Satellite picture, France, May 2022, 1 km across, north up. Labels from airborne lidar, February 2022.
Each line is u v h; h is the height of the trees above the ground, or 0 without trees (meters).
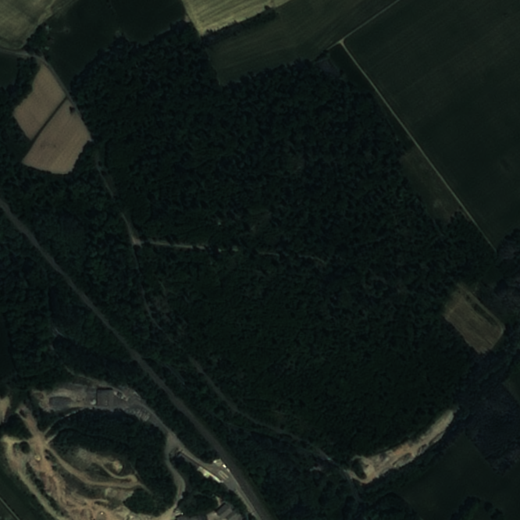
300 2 0
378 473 0
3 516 0
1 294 27
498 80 0
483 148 0
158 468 19
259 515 0
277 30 0
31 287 30
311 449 17
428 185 0
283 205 26
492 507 15
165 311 0
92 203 31
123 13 0
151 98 32
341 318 27
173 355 14
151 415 0
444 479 0
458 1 0
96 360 35
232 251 32
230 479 0
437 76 0
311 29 0
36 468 0
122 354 21
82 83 23
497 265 8
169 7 0
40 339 29
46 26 8
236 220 34
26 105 0
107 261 29
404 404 10
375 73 0
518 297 29
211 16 0
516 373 12
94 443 15
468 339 0
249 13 0
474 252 16
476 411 25
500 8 0
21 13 0
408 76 0
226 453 0
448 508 0
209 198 10
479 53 0
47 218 27
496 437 26
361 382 8
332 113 28
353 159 29
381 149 32
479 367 28
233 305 9
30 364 24
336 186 30
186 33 29
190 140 30
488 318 0
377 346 27
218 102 27
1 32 0
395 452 0
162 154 30
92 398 0
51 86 0
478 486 0
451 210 0
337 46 0
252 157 29
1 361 0
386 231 22
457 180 0
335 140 31
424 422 8
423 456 11
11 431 16
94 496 0
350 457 12
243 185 31
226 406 7
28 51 20
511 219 0
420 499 0
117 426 25
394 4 0
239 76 0
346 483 13
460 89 0
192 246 0
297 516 33
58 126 0
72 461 0
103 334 20
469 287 0
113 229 32
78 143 0
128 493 0
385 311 22
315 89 34
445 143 0
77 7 0
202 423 0
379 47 0
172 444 0
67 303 24
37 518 0
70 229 40
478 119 0
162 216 30
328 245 28
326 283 28
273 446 34
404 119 0
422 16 0
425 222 28
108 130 16
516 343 20
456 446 0
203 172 8
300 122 28
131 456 10
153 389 24
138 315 29
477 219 0
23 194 29
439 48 0
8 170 14
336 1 0
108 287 30
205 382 6
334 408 15
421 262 14
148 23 0
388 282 28
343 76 7
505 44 0
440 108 0
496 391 28
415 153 0
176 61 9
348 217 23
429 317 26
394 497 14
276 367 13
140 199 11
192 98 32
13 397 0
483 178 0
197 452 20
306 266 27
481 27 0
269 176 18
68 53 0
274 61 0
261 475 18
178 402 0
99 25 0
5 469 0
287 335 8
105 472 0
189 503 0
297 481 22
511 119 0
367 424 10
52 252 21
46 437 0
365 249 26
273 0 0
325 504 21
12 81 0
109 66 34
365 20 0
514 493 0
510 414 20
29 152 0
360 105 28
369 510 20
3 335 0
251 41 0
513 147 0
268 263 6
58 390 0
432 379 12
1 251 26
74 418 10
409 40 0
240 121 28
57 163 0
